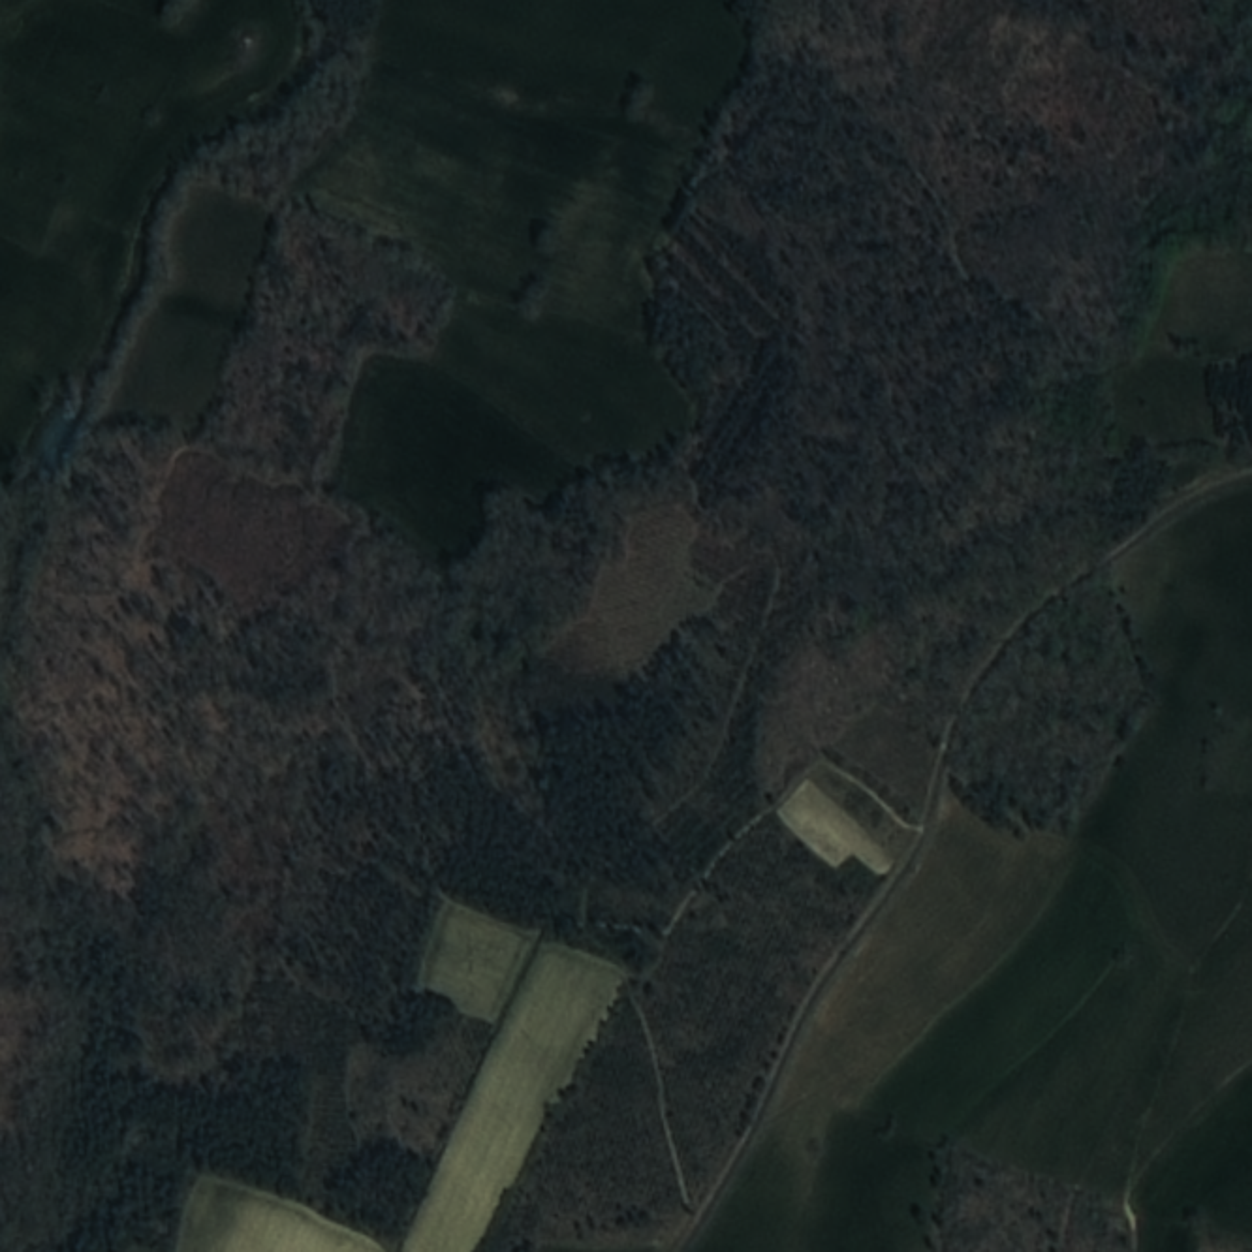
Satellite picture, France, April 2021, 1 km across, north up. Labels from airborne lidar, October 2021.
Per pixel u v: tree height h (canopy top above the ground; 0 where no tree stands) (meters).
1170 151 13
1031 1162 0
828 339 7
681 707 24
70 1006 21
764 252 9
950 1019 0
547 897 20
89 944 22
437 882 10
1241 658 0
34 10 0
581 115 0
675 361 23
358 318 10
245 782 17
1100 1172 0
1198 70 7
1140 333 20
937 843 0
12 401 0
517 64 0
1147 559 0
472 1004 0
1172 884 0
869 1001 0
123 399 0
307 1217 0
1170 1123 0
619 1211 9
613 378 0
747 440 12
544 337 0
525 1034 0
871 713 0
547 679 10
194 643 25
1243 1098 0
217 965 17
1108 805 0
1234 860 0
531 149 0
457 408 0
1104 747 18
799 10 20
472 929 0
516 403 0
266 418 10
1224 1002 0
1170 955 0
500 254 0
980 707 18
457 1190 0
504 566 23
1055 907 0
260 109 0
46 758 21
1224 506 0
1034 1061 0
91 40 0
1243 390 8
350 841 23
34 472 20
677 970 8
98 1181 22
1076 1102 0
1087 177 9
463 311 0
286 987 7
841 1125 0
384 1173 22
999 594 15
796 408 24
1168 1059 0
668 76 0
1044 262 12
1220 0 25
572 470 0
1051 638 19
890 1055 0
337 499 21
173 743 13
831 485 21
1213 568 0
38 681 0
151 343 0
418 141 0
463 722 25
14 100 0
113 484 29
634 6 0
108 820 17
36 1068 23
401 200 0
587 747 29
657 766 25
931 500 6
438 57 0
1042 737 19
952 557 14
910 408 8
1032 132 8
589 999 0
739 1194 0
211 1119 23
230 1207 0
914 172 16
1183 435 0
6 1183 22
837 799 0
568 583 16
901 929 0
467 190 0
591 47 0
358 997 21
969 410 7
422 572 17
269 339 12
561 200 0
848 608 14
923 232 18
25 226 0
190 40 0
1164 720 0
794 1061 0
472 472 0
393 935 25
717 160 17
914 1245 0
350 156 0
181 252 0
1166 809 0
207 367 0
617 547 13
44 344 0
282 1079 21
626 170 0
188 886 13
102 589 8
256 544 0
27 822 24
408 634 20
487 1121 0
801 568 7
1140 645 10
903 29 8
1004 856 0
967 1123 0
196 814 22
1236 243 13
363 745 18
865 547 13
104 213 0
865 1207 0
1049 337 13
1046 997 0
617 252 0
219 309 0
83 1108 20
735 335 14
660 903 21
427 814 25
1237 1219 0
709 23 0
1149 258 19
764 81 23
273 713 16
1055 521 15
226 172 11
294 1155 16
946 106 8
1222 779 0
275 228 10
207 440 12
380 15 15
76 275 0
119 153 0
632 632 0
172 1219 10
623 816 23
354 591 28
